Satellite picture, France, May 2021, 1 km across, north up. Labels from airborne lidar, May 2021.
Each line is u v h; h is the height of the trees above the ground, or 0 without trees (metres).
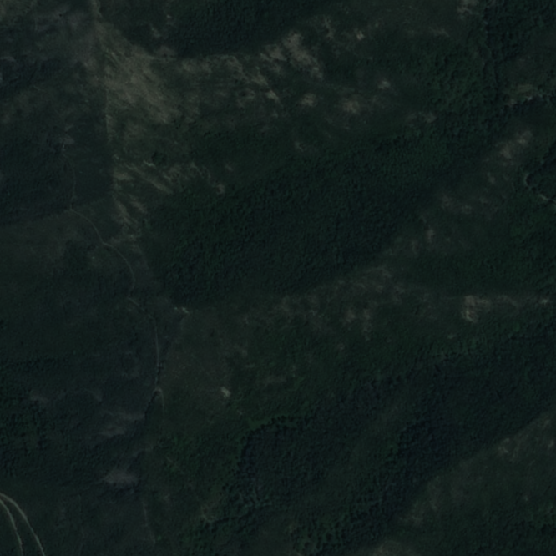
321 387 8
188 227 7
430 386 20
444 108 11
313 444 14
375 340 8
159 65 0
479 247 9
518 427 11
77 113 0
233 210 11
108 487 7
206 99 0
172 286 8
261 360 7
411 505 6
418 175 10
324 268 10
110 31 0
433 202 7
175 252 11
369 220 10
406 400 12
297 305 6
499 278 10
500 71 13
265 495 10
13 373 7
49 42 0
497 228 6
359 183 9
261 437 22
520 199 13
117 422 0
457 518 11
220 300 6
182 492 10
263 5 9
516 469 6
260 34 8
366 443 9
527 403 15
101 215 0
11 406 8
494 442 8
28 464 7
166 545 7
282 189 12
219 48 8
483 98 21
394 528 11
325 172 15
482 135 18
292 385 18
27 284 6
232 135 9
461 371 16
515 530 17
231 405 17
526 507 13
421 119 9
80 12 0
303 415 17
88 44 0
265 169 6
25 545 8
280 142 8
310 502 9
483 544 15
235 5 11
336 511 10
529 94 6
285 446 18
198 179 6
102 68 0
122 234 0
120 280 6
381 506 17
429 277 8
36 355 8
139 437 6
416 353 17
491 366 16
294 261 11
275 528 7
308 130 8
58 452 8
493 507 11
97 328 6
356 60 9
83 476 7
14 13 0
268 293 5
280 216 15
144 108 0
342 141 7
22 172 6
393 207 10
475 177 7
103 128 0
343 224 13
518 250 17
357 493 13
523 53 11
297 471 12
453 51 11
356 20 6
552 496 7
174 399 6
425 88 6
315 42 6
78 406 5
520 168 11
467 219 7
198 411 6
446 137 17
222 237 13
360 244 10
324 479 13
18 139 6
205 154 7
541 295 9
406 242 7
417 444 14
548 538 16
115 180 0
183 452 7
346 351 8
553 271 18
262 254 7
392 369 20
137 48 0
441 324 6
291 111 12
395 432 13
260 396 9
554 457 5
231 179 6
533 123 7
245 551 9
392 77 7
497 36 17
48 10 0
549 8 12
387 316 8
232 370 6
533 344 17
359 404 22
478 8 8
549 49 6
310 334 8
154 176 0
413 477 15
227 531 14
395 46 7
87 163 0
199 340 0
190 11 7
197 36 9
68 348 6
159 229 9
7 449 9
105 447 6
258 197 14
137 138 0
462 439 20
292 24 6
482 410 11
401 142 15
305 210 11
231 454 15
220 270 7
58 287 6
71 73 0
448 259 10
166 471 6
